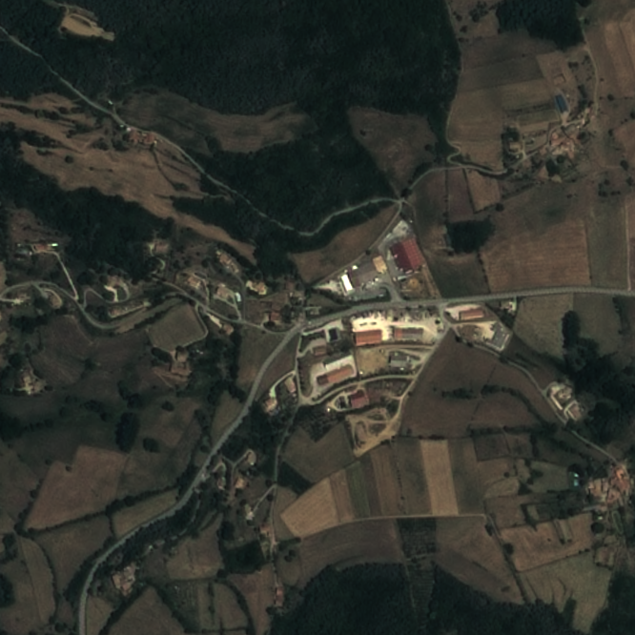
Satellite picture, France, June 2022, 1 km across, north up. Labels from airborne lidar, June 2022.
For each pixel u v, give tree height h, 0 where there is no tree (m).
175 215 0
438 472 0
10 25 19
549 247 0
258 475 9
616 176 0
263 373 0
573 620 6
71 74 11
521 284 0
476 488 0
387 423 0
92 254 10
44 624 0
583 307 0
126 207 7
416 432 0
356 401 0
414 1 8
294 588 7
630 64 0
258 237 6
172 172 0
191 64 8
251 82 12
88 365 6
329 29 7
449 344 0
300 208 10
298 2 6
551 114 0
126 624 0
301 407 6
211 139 9
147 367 0
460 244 9
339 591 12
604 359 14
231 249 12
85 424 0
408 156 0
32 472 0
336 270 0
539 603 12
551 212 0
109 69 12
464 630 16
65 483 0
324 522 0
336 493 0
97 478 0
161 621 0
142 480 0
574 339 33
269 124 0
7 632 7
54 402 0
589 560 0
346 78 9
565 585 0
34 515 0
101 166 0
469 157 0
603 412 13
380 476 0
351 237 0
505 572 0
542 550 0
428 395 0
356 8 8
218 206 7
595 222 0
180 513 8
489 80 0
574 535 0
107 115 7
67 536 0
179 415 0
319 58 15
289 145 9
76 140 0
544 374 0
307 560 0
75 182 0
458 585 14
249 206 12
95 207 7
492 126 0
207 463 0
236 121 0
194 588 0
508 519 0
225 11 13
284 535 0
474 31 0
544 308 0
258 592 0
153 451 12
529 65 0
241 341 11
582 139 9
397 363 0
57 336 0
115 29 14
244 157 6
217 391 13
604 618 9
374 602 14
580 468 12
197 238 0
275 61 15
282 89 18
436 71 7
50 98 0
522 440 0
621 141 0
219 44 9
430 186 0
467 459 0
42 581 0
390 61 10
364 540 0
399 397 0
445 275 0
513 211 0
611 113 0
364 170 5
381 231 0
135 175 0
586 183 0
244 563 6
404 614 16
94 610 0
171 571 0
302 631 12
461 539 0
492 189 0
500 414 0
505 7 13
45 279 7
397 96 8
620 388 11
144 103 0
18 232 0
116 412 0
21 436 8
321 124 10
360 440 0
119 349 0
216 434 0
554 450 0
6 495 0
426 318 0
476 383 0
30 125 0
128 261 8
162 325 0
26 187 9
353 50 13
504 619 15
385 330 0
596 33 0
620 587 8
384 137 0
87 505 0
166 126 0
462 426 0
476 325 0
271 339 0
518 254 0
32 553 0
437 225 0
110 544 12
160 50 10
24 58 20
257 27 10
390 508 0
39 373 6
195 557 0
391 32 13
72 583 8
